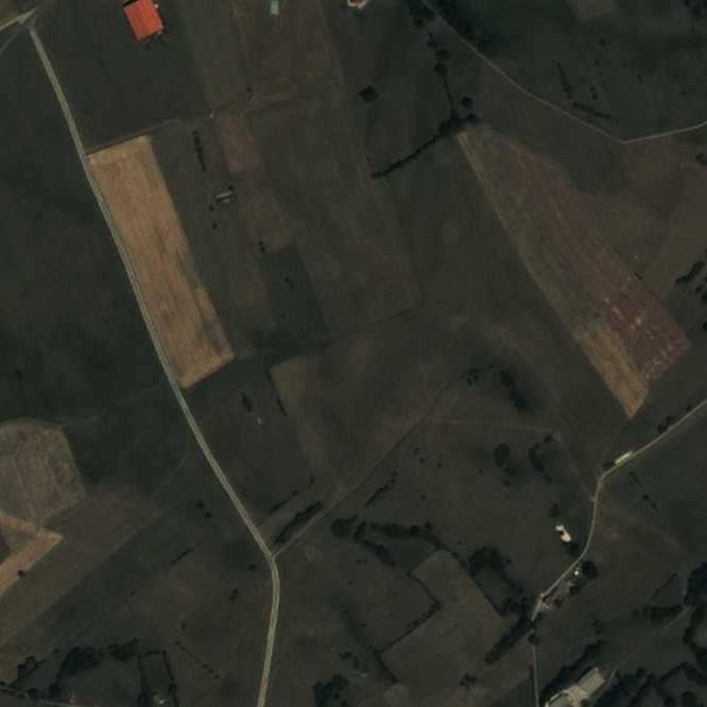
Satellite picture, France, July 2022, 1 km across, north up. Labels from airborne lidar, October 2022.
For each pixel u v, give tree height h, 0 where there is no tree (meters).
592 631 0
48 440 0
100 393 0
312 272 0
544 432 0
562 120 0
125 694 0
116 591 0
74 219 0
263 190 0
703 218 0
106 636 0
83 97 0
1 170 0
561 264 0
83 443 0
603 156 0
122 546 0
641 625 0
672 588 0
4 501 0
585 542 0
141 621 0
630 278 0
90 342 0
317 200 0
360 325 0
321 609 0
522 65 0
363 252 0
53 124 0
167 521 0
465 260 0
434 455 0
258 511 0
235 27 0
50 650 0
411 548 0
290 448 0
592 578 16
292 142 0
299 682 0
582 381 0
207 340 0
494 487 0
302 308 0
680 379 0
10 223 0
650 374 0
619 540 0
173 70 0
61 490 0
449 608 0
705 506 0
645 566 0
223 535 0
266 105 0
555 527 0
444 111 0
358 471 0
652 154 0
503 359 0
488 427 0
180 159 0
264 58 0
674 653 0
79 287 0
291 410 0
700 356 0
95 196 0
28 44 0
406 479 0
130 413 0
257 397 0
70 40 0
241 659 0
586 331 0
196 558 0
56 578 0
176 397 0
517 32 0
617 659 0
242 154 0
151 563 0
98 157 0
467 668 0
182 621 0
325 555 0
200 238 0
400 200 0
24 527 0
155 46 0
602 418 0
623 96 0
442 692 0
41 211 0
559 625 0
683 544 0
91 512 0
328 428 0
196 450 0
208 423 0
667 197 0
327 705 12
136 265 0
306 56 0
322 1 0
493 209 0
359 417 0
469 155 0
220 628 0
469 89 0
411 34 0
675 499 0
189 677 0
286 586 0
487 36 0
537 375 0
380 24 0
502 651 15
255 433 0
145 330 0
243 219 0
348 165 0
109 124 0
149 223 0
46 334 0
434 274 0
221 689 0
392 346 0
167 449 0
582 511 0
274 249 0
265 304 0
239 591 6
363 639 0
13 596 0
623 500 0
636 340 0
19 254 0
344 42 0
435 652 0
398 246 0
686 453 0
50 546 0
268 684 0
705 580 10
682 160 0
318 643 0
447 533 0
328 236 0
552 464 0
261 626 0
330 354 0
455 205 0
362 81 0
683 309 0
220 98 0
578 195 0
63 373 0
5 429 0
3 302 0
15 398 0
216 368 0
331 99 0
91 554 0
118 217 0
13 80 0
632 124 0
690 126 0
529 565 0
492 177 0
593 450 0
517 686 0
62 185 0
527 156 0
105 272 0
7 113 0
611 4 0
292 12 0
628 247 0
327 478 0
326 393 0
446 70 14
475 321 0
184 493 0
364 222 0
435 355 0
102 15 0
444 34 0
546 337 0
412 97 0
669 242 0
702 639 0
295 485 0
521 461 0
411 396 0
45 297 0
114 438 0
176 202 0
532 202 0
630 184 0
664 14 0
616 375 0
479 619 0
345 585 0
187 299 0
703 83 0
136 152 0
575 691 0
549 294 0
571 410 0
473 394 0
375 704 0
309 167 0
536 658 0
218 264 0
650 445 0
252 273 0
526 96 0
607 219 0
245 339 0
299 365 0
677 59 0
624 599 0
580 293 0
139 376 0
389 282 0
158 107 0
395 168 8
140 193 0
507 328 0
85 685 0
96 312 0
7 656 0
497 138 0
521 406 7
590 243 0
